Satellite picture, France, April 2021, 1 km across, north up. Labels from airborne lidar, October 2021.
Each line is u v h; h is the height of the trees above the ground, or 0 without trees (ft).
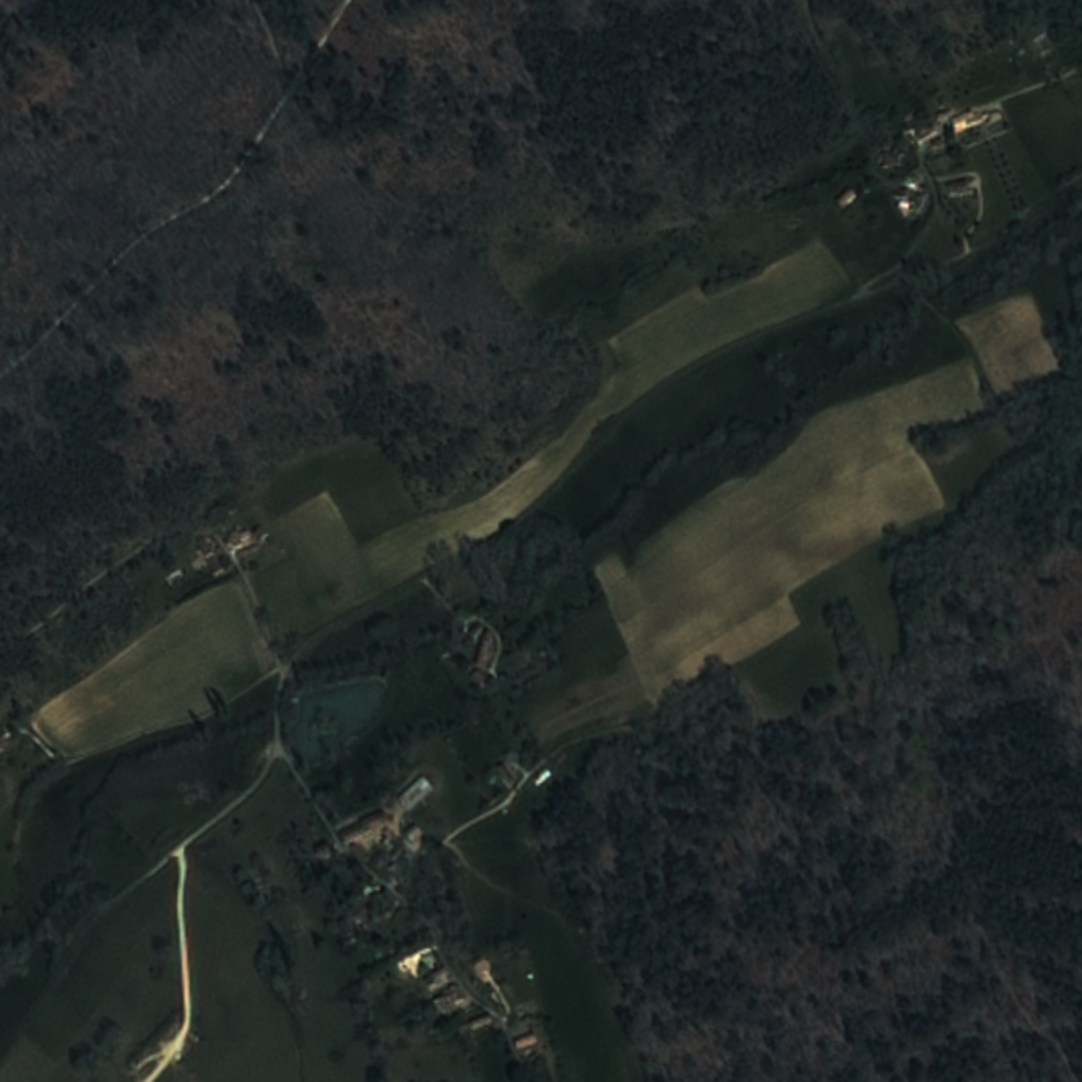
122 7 78
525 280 0
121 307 54
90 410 83
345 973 0
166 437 44
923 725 76
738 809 76
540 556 37
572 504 0
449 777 0
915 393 0
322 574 0
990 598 20
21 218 52
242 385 29
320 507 0
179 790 0
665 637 0
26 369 48
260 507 0
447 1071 0
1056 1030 43
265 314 84
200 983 0
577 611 39
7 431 58
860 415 0
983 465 0
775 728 33
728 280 34
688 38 40
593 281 0
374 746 0
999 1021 47
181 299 40
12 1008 0
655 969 88
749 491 0
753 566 0
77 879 37
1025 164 0
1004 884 70
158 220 33
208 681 0
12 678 67
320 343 69
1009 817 79
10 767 21
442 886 34
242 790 0
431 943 49
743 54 27
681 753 21
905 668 41
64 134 35
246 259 47
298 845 22
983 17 66
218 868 0
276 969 76
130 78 47
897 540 43
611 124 82
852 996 35
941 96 21
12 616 51
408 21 80
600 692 0
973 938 63
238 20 41
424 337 43
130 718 0
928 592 78
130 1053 0
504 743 0
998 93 0
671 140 45
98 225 55
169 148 27
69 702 0
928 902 69
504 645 26
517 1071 39
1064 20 68
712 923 85
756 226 0
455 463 58
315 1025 0
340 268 34
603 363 44
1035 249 46
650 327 0
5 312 48
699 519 0
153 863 0
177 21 82
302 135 65
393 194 30
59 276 44
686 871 71
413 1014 22
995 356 0
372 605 0
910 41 75
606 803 22
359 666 66
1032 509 74
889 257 0
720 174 85
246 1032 0
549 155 41
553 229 37
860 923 70
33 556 70
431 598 0
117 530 61
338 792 22
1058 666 27
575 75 39
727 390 0
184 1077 0
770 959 23
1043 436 64
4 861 0
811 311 0
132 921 0
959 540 72
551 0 45
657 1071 61
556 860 57
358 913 0
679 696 53
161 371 28
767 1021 28
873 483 0
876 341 57
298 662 0
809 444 0
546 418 52
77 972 0
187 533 59
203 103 34
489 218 65
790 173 75
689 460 41
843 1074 40
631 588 0
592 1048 0
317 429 64
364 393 52
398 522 0
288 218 38
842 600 0
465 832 0
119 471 72
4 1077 0
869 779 63
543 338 37
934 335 0
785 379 51
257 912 48
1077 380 53
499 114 84
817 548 0
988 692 79
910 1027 26
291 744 37
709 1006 79
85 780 0
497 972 23
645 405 0
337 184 37
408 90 92
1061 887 64
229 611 0
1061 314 0
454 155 28
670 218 56
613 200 64
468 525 0
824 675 0
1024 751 44
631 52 51
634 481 0
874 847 25
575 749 0
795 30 64
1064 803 67
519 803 0
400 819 0
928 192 29
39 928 33
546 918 0
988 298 20
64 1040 0
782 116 79
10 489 79
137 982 0
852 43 0
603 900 33
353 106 80
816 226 0
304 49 80
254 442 68
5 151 38
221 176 24
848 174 23
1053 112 0
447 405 50
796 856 74
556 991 0
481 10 25
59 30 88
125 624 21
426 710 0
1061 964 71
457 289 40
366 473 0
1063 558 69
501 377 42
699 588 0
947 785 67
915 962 40
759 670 0
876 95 0
